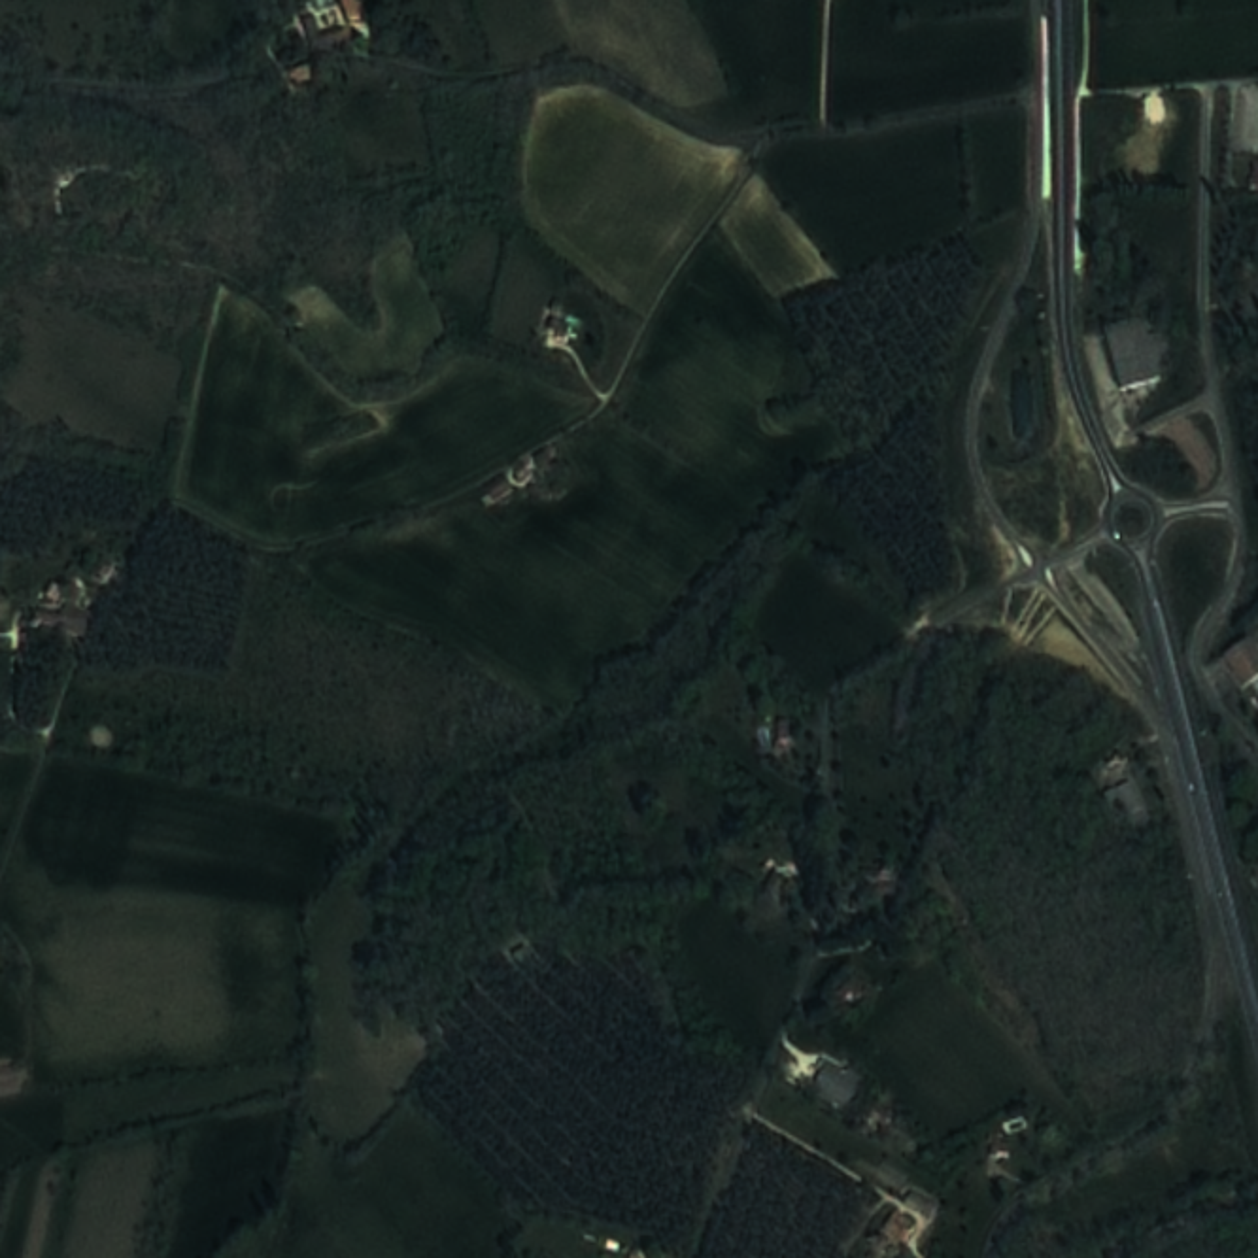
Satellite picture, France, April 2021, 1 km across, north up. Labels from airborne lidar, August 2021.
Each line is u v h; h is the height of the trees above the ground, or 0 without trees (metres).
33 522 18
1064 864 17
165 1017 0
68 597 21
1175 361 15
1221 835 0
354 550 0
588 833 12
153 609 14
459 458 0
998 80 0
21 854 0
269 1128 0
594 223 0
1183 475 12
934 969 0
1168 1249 26
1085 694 14
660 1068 18
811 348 19
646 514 0
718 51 0
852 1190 13
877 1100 10
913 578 16
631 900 24
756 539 15
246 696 9
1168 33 0
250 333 0
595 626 0
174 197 8
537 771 14
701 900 17
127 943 0
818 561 17
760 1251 15
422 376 8
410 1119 0
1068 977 18
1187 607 0
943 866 16
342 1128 0
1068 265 0
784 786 0
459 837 19
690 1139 16
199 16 0
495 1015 16
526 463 7
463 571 0
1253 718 18
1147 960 21
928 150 0
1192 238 0
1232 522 0
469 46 0
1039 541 0
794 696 19
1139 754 8
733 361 0
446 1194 0
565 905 8
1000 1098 0
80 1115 0
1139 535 0
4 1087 0
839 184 0
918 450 21
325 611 6
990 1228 0
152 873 0
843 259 0
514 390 0
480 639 0
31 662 16
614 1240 0
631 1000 19
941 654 16
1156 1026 17
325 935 0
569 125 0
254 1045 0
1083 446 0
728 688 0
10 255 17
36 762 0
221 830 0
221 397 0
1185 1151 0
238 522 0
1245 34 0
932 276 15
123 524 16
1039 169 0
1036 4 0
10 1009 0
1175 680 0
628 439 0
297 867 0
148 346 0
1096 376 0
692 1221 12
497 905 24
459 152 8
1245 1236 26
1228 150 6
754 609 20
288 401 0
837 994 10
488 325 6
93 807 0
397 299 0
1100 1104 11
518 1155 12
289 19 13
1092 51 0
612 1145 13
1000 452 18
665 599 0
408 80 0
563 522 0
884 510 19
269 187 6
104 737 0
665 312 0
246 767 12
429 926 27
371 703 10
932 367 19
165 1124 8
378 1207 0
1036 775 22
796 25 0
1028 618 0
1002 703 21
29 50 15
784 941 0
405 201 8
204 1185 0
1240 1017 0
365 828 8
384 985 24
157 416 0
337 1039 0
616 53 0
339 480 0
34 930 0
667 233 0
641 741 21
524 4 0
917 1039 0
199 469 0
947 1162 11
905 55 0
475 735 15
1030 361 0
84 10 0
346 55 11
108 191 6
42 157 8
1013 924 17
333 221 9
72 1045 0
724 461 0
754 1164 12
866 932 17
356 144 0
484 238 0
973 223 16
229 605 15
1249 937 0
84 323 0
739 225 0
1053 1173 15
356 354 0
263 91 19
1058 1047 17
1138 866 20
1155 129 0
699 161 0
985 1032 0
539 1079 11
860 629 0
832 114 0
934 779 18
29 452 16
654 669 22
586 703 6
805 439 0
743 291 0
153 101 8
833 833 15
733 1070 16
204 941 0
